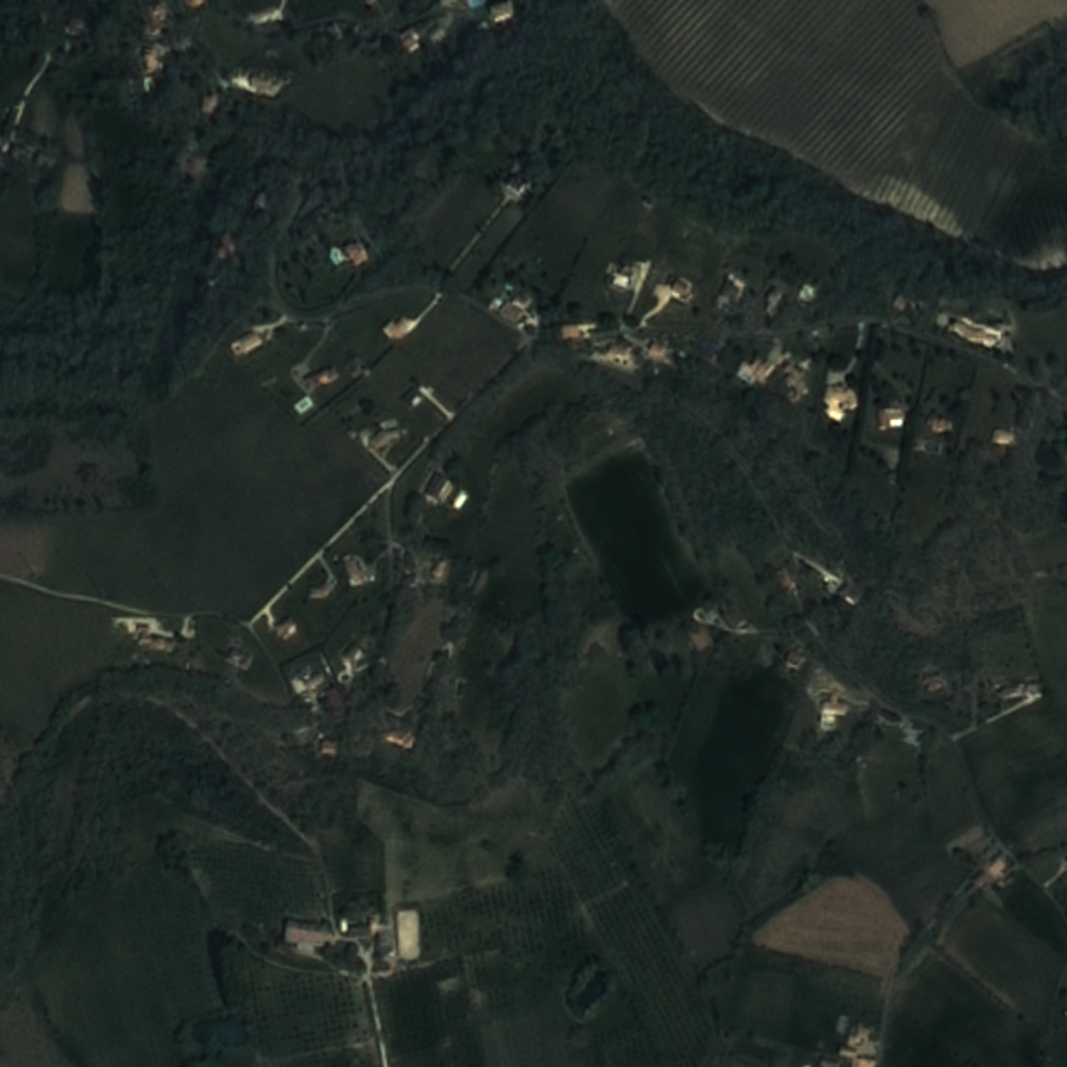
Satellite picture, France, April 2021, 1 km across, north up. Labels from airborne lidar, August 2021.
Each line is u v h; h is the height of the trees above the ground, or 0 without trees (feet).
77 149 0
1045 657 0
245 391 0
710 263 0
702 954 0
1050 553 0
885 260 62
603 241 0
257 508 0
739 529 68
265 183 53
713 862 34
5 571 0
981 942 0
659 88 42
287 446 0
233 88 29
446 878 0
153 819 0
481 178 0
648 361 40
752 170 38
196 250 29
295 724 48
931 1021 0
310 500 0
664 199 43
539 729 90
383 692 43
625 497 0
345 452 0
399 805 0
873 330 28
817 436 0
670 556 0
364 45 33
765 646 0
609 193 0
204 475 0
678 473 68
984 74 0
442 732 62
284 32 26
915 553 41
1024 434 56
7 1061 0
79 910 38
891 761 0
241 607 0
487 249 0
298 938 0
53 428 27
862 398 25
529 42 50
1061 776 0
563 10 62
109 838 36
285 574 0
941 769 0
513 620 23
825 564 26
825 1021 0
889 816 0
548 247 0
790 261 29
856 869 0
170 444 0
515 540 0
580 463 62
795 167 23
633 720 43
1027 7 0
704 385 54
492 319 0
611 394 63
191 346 74
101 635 0
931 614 19
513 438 46
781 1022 0
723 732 0
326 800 57
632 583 0
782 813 0
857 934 0
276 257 36
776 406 59
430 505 46
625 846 18
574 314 43
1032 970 0
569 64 68
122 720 46
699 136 30
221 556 0
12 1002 41
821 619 66
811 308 45
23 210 0
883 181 0
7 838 57
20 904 68
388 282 36
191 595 0
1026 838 0
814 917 0
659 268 0
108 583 0
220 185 57
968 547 47
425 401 0
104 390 73
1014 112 52
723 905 0
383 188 67
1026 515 51
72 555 0
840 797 0
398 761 62
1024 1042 0
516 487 0
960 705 22
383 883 0
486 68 67
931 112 0
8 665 0
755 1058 0
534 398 0
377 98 0
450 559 18
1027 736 0
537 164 56
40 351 72
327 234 39
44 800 56
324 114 0
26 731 0
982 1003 0
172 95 75
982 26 0
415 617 62
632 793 0
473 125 51
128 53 53
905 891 0
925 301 54
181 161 32
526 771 64
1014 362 29
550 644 83
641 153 53
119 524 0
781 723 0
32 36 88
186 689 69
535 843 0
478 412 62
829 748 62
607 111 88
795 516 47
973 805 0
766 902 0
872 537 27
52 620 0
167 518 0
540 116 59
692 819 23
